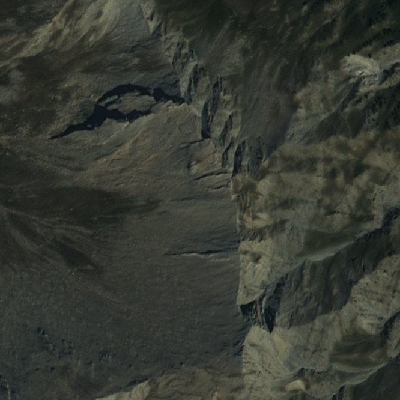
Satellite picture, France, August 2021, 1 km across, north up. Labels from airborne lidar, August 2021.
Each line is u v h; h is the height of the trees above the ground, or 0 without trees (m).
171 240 0
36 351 0
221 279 0
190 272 0
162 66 0
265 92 0
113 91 0
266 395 0
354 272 0
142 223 0
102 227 0
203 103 0
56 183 0
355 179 0
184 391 0
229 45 0
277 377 0
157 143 0
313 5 0
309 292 0
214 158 0
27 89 0
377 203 0
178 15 0
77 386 0
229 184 0
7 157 0
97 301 0
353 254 0
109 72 0
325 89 0
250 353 0
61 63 0
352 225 0
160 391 0
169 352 0
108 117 0
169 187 0
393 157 0
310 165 0
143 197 0
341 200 0
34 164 0
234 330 0
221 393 0
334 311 0
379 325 0
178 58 0
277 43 0
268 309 0
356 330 0
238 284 0
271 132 0
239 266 0
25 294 0
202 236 0
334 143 0
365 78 0
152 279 0
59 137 0
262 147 0
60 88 0
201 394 0
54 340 0
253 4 0
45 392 0
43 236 0
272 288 0
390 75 12
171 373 0
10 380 0
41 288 0
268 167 0
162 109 0
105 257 0
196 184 0
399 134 0
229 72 0
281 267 0
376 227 0
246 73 0
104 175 0
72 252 0
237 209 0
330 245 0
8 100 0
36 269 0
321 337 0
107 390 0
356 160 0
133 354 0
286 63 0
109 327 0
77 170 0
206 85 0
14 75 0
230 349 0
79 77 0
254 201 0
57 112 0
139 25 0
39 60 0
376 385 0
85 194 0
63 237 0
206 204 0
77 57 0
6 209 0
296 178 0
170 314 0
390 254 6
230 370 0
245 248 0
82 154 0
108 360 0
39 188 0
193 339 0
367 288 0
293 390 0
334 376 0
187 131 0
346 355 0
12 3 0
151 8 0
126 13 0
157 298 0
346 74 0
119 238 0
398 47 0
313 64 0
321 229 0
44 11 0
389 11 0
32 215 0
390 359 0
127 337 0
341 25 0
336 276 0
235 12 0
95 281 0
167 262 0
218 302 0
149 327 0
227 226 0
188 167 0
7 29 0
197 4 0
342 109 0
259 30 0
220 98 0
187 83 0
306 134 0
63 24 0
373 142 0
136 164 0
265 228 0
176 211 0
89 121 0
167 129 0
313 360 0
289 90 0
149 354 0
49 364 0
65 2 0
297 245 0
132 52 0
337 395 0
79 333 0
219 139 0
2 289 0
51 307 0
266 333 0
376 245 0
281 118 0
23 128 0
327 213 0
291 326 0
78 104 0
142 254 0
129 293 0
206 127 0
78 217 0
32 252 0
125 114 0
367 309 0
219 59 0
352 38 0
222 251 0
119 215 0
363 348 0
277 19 0
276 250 0
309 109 0
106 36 0
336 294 0
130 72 0
